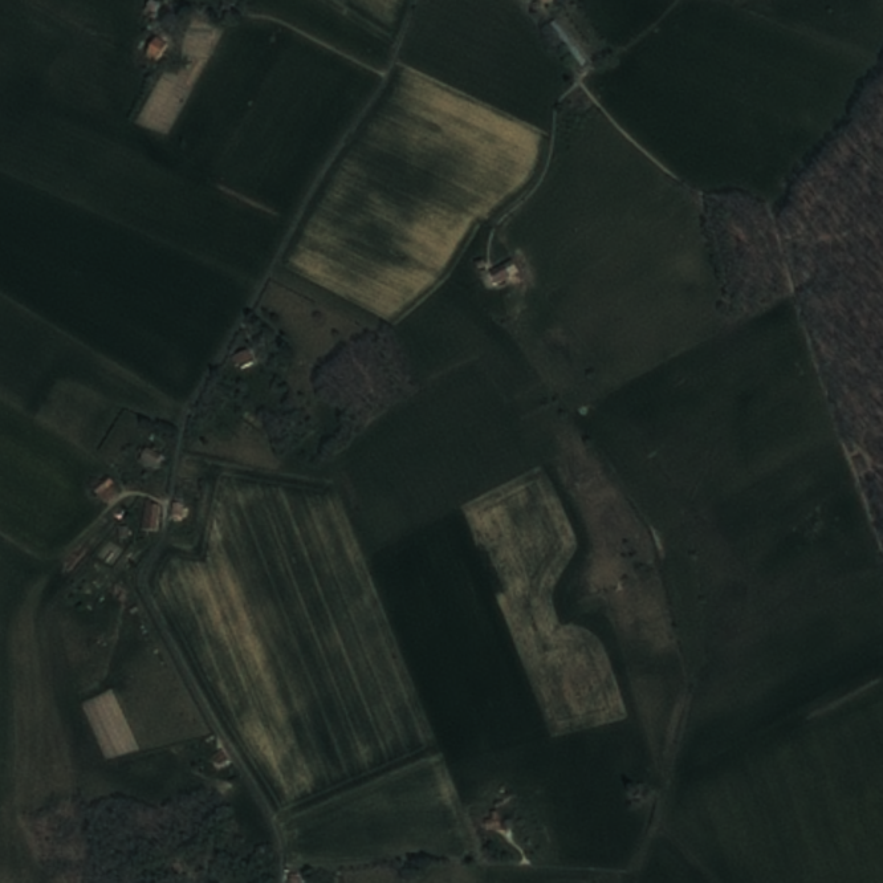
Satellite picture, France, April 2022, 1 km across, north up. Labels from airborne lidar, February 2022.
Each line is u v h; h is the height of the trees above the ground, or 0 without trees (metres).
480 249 0
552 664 0
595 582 0
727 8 0
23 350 0
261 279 0
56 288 0
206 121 0
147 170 0
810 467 0
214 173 0
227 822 20
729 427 0
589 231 0
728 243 22
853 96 0
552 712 0
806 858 0
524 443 0
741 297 20
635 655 0
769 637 0
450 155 0
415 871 15
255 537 0
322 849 0
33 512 0
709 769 0
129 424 0
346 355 21
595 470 0
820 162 19
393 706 0
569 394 0
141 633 0
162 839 14
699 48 0
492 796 0
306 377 0
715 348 0
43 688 0
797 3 0
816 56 0
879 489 24
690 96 0
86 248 0
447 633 0
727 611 0
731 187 0
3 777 0
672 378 0
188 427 6
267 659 0
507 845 0
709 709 0
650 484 0
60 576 0
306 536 0
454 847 0
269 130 0
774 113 0
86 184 0
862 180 32
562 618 0
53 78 0
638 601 0
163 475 6
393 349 19
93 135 0
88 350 0
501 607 0
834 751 0
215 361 0
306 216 0
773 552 0
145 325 0
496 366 0
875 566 0
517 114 0
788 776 0
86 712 0
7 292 0
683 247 0
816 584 0
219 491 0
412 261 0
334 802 0
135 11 0
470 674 0
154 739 0
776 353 0
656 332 0
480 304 0
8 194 0
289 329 0
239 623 0
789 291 8
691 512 0
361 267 0
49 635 0
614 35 0
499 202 0
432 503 0
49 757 0
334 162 0
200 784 0
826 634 0
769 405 0
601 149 0
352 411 18
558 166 0
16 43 0
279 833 0
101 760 0
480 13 0
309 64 0
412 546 0
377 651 0
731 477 0
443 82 0
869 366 29
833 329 25
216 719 0
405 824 0
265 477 0
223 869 14
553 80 0
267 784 0
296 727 0
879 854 0
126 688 0
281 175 0
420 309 0
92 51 0
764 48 0
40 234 0
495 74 0
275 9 0
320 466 12
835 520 0
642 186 0
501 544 0
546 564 0
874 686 0
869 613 0
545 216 0
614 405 0
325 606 0
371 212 0
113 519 0
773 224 27
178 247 0
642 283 0
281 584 0
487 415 0
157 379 0
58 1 0
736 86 0
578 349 0
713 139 0
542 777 0
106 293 0
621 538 0
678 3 0
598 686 0
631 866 0
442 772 0
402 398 17
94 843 17
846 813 0
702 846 0
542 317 0
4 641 0
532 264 0
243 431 0
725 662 0
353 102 0
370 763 0
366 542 0
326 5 0
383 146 0
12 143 0
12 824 0
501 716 0
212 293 0
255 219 0
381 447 0
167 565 0
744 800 0
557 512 0
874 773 0
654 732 0
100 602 0
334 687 0
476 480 0
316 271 0
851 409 21
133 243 0
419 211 0
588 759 0
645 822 0
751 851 0
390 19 0
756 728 0
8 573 0
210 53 0
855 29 0
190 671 0
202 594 0
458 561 0
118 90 0
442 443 0
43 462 0
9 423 0
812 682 0
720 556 0
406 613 0
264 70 0
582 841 0
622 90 0
